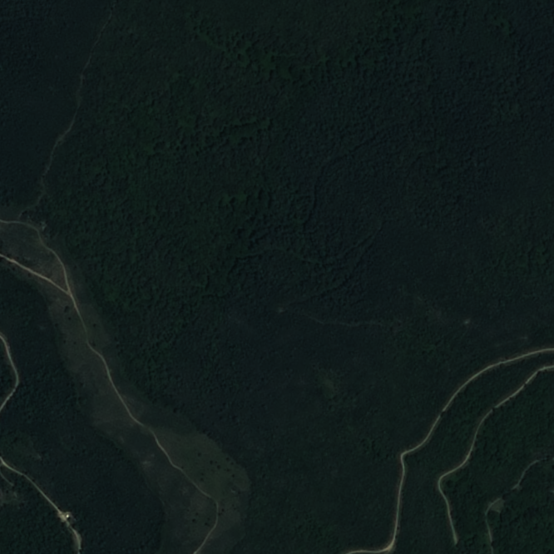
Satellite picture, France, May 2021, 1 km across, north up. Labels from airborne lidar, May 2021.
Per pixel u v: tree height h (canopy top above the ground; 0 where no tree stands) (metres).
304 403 6
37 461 6
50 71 6
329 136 13
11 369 12
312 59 14
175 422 0
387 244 6
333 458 7
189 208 13
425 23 13
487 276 6
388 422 6
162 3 12
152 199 14
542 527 6
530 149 7
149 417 0
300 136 10
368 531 6
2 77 8
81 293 0
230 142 16
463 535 11
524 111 16
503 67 7
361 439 10
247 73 14
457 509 9
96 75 8
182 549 0
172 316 13
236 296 12
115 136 9
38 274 0
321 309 7
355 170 10
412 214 8
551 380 6
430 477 7
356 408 6
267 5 7
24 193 6
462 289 8
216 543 0
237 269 18
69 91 7
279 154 12
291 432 6
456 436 12
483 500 15
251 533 6
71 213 9
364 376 7
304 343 6
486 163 10
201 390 8
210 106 10
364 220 11
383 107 6
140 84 7
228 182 18
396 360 9
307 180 9
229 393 6
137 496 5
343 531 7
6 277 6
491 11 11
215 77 9
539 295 6
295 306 6
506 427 9
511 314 5
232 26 6
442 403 9
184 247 5
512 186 5
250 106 13
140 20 9
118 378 0
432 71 12
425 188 18
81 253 8
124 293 11
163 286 12
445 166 7
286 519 7
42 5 9
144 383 9
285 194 9
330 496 7
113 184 13
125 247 6
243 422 6
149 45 7
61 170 7
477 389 8
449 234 9
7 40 11
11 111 11
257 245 14
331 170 8
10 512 8
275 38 6
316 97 6
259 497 6
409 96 8
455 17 10
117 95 8
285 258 6
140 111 16
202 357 11
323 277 14
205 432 10
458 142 13
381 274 7
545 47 8
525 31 7
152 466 0
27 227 0
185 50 7
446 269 6
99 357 0
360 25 7
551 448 7
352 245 6
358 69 11
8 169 7
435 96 10
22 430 7
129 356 8
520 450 8
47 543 7
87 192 10
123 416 0
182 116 6
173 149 15
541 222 8
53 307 0
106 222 9
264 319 7
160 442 0
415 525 8
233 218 25
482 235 6
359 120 11
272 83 14
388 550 0
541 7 9
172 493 0
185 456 0
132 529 5
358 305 10
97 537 7
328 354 5
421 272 5
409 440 7
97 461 7
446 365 7
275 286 10
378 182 8
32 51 6
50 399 6
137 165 16
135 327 9
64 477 6
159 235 7
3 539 18
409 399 9
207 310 10
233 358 10
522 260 9
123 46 6
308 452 7
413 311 7
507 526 10
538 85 7
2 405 0
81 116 6
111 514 7
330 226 10
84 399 9
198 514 6
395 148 7
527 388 9
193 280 10
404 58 6
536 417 13
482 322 6
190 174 13
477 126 10
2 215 0
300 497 6
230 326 6
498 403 9
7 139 5
